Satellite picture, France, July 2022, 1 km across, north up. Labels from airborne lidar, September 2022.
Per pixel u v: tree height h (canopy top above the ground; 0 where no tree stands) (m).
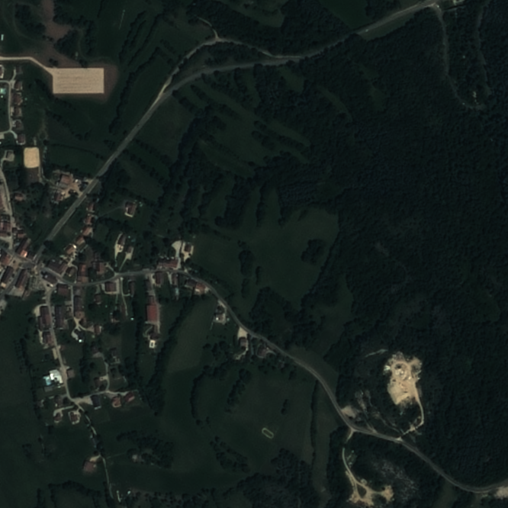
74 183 0
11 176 8
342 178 18
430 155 17
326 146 20
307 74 17
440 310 16
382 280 10
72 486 14
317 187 25
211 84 13
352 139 23
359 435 14
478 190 22
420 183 18
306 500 6
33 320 11
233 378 0
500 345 12
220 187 21
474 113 20
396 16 0
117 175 18
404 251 14
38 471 0
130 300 7
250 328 11
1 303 0
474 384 20
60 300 0
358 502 0
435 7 0
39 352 0
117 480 0
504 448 13
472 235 15
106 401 0
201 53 14
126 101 13
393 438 0
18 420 0
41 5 0
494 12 13
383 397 8
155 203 7
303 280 0
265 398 0
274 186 13
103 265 0
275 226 0
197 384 17
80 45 0
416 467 8
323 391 0
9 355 0
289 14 12
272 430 0
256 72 16
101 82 0
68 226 0
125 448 0
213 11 16
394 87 12
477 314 13
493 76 11
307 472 7
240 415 0
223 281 7
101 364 0
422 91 10
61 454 0
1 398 0
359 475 8
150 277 0
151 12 0
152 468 0
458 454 18
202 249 0
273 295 17
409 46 15
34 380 10
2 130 0
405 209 17
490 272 15
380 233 7
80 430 0
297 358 0
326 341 0
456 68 15
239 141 0
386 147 18
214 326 0
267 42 18
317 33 23
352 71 14
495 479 11
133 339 0
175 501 9
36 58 0
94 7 0
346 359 7
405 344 11
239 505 0
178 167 21
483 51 15
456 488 6
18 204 11
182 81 0
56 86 0
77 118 0
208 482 0
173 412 0
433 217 18
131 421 0
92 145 0
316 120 20
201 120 19
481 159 20
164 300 13
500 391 17
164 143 0
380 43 17
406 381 0
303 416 0
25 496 0
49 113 9
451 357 16
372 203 16
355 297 9
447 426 15
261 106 6
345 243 15
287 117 19
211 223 0
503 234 23
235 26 20
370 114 17
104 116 0
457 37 15
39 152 0
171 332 13
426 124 6
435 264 14
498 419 16
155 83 0
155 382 15
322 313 0
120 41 0
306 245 0
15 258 0
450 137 7
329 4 0
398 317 7
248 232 0
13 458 0
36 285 0
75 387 0
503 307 10
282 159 16
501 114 9
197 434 0
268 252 0
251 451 0
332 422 0
